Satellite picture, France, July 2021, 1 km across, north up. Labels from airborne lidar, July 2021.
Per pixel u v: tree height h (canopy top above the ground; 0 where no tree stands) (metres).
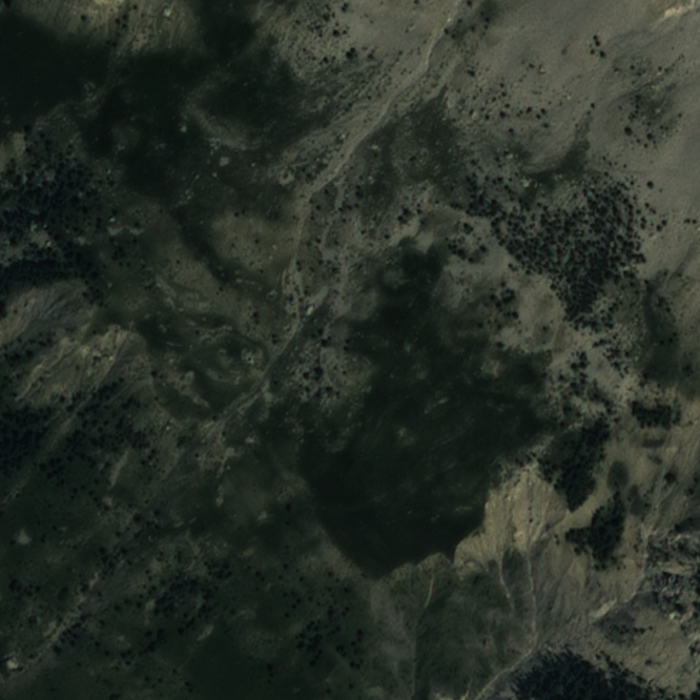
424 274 0
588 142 0
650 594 0
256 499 0
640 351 0
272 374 0
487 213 8
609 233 8
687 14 0
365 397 0
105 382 0
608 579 0
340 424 0
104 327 0
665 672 0
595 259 7
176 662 0
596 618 0
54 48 0
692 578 0
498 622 0
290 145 0
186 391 0
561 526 0
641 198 0
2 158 0
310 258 0
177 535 0
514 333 0
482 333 0
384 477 0
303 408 0
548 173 0
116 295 0
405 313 0
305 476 0
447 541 0
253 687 0
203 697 0
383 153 0
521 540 0
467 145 0
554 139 0
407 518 0
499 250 0
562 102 0
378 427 0
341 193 0
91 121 0
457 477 0
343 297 0
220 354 0
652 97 0
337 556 0
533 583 0
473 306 0
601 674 14
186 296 0
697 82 0
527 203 7
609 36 0
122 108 0
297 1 0
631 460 0
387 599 0
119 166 0
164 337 0
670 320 0
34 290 0
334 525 0
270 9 0
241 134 0
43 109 0
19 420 16
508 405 0
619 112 0
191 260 0
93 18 0
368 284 0
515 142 0
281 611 0
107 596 0
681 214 0
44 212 15
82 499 0
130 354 0
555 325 0
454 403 0
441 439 0
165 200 0
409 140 0
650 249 0
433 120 0
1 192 18
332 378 0
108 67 0
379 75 0
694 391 0
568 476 12
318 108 0
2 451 13
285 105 0
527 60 0
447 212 0
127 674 0
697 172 0
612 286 0
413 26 0
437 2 0
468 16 0
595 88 0
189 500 0
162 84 0
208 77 0
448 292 0
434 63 0
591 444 10
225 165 0
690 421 0
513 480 0
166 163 0
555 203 0
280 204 0
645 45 0
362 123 0
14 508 0
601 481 0
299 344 0
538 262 7
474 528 0
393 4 0
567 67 0
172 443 0
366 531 0
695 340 0
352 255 0
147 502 9
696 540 0
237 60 0
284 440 0
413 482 0
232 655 0
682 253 0
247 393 0
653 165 0
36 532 0
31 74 0
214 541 0
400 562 0
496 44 0
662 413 13
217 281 0
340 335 0
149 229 0
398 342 0
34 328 0
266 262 0
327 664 0
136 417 0
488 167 0
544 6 0
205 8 0
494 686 0
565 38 0
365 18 0
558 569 0
